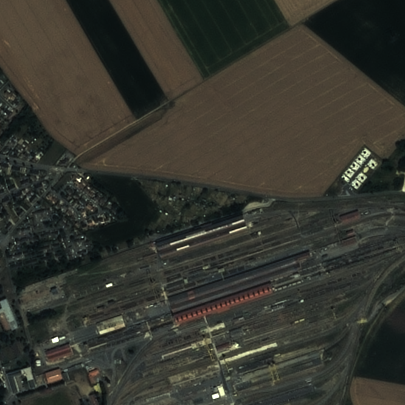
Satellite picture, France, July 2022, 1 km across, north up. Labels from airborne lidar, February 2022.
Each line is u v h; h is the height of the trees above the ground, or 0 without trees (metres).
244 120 0
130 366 0
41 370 0
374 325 0
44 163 0
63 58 0
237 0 0
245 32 0
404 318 0
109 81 0
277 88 0
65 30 0
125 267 0
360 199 0
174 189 0
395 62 0
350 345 0
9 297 0
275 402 0
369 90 0
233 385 0
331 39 0
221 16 0
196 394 0
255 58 0
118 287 0
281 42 0
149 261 0
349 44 0
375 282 0
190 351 0
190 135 0
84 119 0
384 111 0
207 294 0
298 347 0
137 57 0
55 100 0
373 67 0
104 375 0
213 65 0
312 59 0
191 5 0
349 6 0
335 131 0
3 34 0
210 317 0
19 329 0
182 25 0
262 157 0
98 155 0
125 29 0
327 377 0
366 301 0
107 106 0
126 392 0
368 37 0
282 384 0
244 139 0
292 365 0
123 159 0
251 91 0
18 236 0
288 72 0
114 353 0
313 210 0
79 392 0
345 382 0
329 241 0
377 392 0
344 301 0
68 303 0
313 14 0
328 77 0
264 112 0
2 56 0
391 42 0
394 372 0
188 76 0
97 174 0
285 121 0
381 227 0
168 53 0
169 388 0
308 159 0
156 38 0
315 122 0
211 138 0
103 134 0
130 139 0
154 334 0
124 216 20
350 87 0
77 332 0
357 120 0
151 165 0
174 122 0
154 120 0
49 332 0
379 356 0
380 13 0
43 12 0
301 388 0
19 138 0
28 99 0
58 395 0
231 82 0
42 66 0
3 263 0
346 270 0
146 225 0
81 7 0
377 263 0
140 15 0
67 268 7
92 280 0
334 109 0
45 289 0
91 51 0
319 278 0
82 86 0
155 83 0
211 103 0
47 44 0
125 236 0
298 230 0
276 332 0
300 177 0
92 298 0
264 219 0
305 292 0
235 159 0
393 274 0
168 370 0
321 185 0
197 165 0
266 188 0
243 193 0
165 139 0
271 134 0
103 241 0
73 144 0
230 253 0
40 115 0
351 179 0
